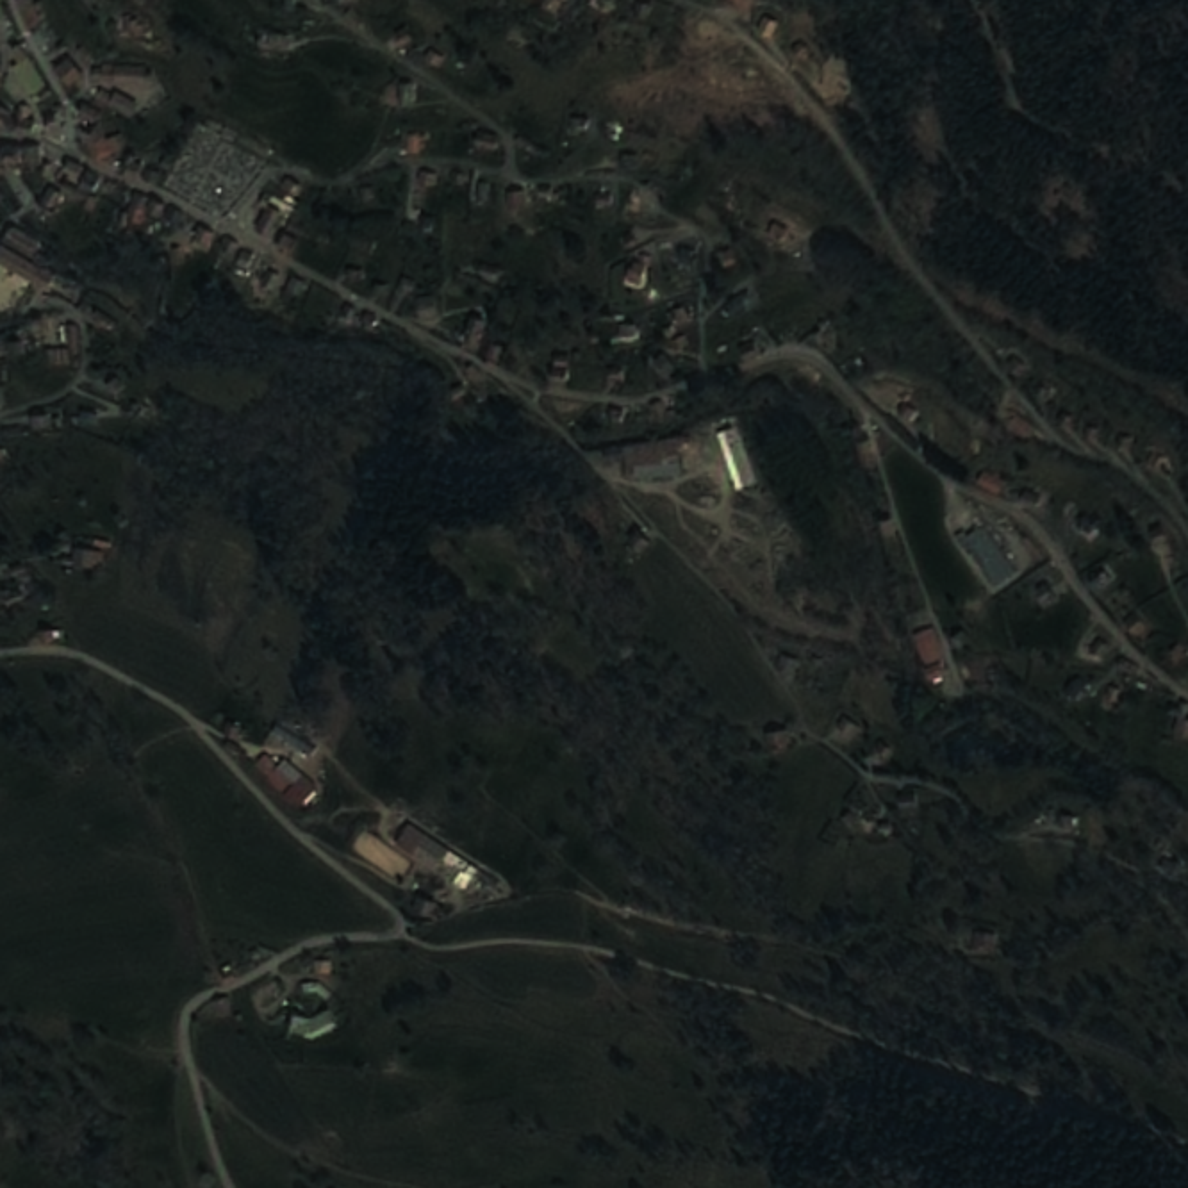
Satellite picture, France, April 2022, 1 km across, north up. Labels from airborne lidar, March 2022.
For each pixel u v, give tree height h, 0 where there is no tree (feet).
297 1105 0
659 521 0
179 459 31
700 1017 24
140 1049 0
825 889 0
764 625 35
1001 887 0
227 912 0
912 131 57
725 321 0
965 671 0
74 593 0
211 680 0
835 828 0
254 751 0
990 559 0
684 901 69
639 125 0
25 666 0
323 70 0
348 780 0
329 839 0
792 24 0
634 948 0
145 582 0
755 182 0
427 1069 0
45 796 0
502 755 0
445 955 0
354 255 0
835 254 94
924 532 0
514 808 0
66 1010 0
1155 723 0
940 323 53
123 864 0
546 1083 0
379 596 66
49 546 53
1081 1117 101
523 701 68
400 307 0
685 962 0
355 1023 0
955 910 0
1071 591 0
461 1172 0
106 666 0
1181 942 47
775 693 0
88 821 0
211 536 0
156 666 0
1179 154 86
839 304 0
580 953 0
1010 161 62
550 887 0
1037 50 41
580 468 71
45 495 0
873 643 38
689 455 0
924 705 56
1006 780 0
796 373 0
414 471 122
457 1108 0
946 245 68
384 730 71
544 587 0
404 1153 0
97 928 0
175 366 70
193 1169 0
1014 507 0
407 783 0
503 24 33
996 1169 94
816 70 0
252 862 0
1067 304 75
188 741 0
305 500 86
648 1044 0
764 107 0
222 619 0
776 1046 0
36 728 60
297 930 0
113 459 0
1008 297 75
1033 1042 77
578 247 60
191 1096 0
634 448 0
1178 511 0
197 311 58
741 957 46
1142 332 75
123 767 60
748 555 0
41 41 0
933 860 43
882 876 0
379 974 0
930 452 74
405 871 0
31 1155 38
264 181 0
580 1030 0
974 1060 24
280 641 0
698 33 0
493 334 23
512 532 61
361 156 0
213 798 0
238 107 0
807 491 118
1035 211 64
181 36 62
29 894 0
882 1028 67
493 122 0
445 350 0
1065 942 56
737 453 0
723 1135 0
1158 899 71
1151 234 80
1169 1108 0
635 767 81
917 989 79
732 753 32
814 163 52
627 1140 51
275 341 76
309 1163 31
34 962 0
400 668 94
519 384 0
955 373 45
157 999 0
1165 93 56
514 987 0
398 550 104
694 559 0
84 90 0
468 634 67
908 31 73
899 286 62
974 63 62
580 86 0
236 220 0
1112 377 31
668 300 0
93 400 0
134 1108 0
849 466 42
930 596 0
